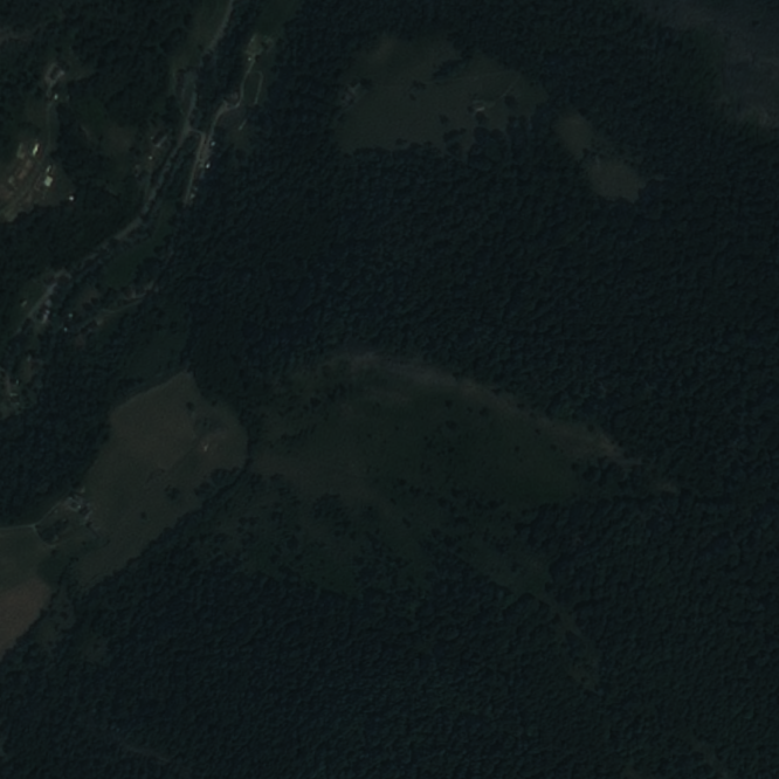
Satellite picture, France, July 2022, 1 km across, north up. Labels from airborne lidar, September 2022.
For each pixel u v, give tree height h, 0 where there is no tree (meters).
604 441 0
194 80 0
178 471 0
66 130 20
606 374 29
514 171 16
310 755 16
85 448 19
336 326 16
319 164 16
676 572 21
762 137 13
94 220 13
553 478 0
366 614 30
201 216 13
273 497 0
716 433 13
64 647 11
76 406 22
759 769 7
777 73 0
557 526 19
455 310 26
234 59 19
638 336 20
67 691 12
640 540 23
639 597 26
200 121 15
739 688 22
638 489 20
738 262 29
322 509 9
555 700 26
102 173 9
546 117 21
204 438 0
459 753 27
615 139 10
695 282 21
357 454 0
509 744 23
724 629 22
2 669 18
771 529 33
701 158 21
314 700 26
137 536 0
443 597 17
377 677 27
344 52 20
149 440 0
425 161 7
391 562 11
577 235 25
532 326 22
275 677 27
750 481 30
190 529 11
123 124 12
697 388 9
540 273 18
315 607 23
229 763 24
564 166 10
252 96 0
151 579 18
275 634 24
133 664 12
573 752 25
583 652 22
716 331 24
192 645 25
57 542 0
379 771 19
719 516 26
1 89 21
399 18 25
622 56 19
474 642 18
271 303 13
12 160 0
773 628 27
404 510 0
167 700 12
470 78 0
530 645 25
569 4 18
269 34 0
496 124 0
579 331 18
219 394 12
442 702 22
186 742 21
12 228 11
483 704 20
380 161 13
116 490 0
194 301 9
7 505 10
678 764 6
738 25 0
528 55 24
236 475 7
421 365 0
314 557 0
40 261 13
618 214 22
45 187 0
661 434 6
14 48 15
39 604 0
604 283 17
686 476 16
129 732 14
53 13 9
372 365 0
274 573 0
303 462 0
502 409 0
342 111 10
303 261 20
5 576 0
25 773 14
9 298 11
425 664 23
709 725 22
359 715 29
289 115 23
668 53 19
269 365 15
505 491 0
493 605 23
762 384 6
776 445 29
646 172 6
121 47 29
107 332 0
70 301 16
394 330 21
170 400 0
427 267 22
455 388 0
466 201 24
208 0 0
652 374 5
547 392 16
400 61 0
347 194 10
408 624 16
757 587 29
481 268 25
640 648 21
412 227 22
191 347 11
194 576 15
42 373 7
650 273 27
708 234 28
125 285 0
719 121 7
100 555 0
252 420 9
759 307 25
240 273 10
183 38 13
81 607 11
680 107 21
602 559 27
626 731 22
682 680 21
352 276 6
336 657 26
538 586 0
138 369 0
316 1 9
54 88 8
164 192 8
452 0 22
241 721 22
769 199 20
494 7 23
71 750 20
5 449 15
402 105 0
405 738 28
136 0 21
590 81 23
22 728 11
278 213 7
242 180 11
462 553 7
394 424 0
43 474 23
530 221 25
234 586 25
